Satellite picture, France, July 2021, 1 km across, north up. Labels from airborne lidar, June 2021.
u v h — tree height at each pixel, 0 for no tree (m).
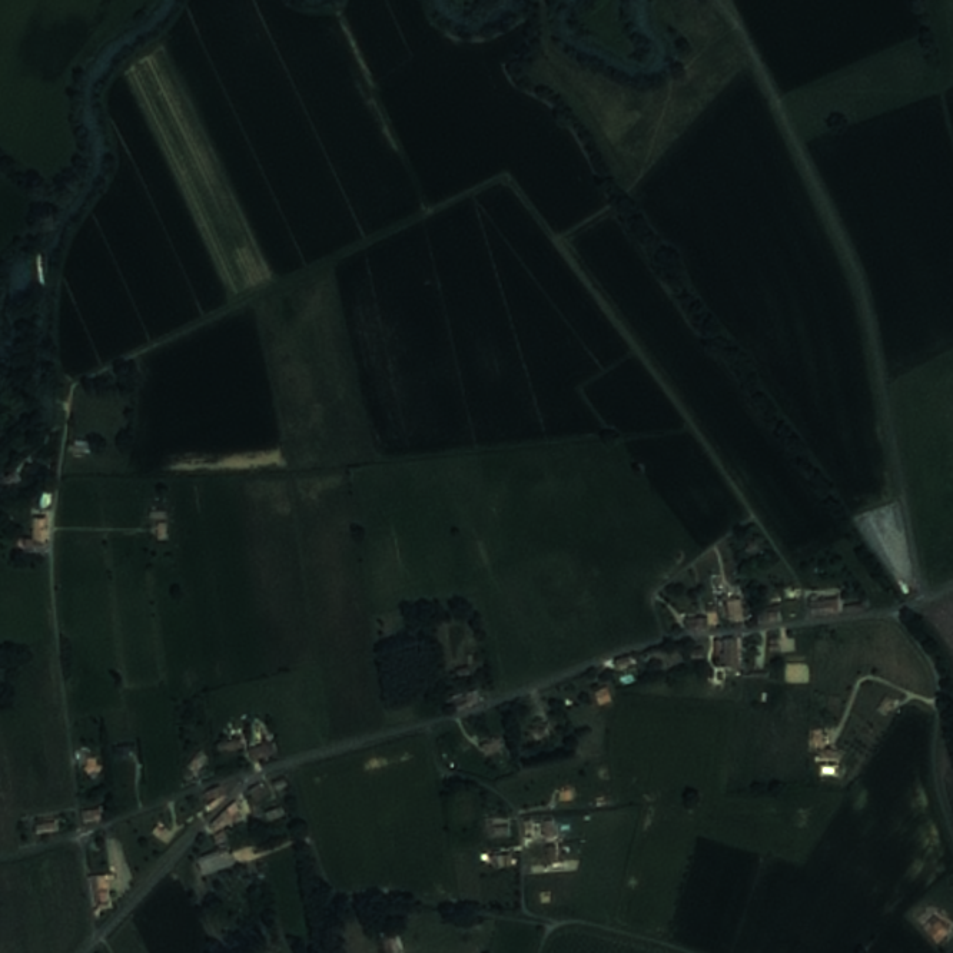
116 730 0
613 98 0
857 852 0
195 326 0
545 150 0
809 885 0
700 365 0
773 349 0
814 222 0
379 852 0
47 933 0
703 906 0
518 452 0
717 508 0
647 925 0
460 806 0
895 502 0
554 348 0
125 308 0
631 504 0
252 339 0
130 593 0
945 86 0
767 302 0
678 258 20
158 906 0
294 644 0
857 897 0
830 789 0
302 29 0
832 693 0
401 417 0
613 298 0
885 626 0
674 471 0
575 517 0
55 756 0
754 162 0
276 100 0
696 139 0
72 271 0
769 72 0
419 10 0
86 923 0
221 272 0
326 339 0
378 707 0
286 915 0
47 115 0
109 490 0
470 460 0
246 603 0
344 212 0
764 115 0
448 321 0
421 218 0
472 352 0
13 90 0
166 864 0
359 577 0
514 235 0
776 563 8
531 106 0
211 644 0
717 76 0
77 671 0
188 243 0
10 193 0
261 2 0
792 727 0
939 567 0
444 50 0
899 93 0
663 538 0
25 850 0
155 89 0
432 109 0
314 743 0
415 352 0
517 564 0
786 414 0
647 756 0
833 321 0
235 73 0
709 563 0
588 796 0
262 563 0
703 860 0
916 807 0
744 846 0
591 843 0
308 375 0
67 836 0
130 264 0
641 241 12
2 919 0
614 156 0
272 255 0
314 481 0
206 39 0
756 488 0
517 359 0
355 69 0
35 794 0
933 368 0
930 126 0
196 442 0
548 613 0
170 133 0
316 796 0
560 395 0
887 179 0
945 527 0
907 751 0
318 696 0
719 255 0
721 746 0
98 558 0
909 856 0
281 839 8
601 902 0
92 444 18
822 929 0
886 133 0
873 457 0
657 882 0
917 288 0
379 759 0
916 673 0
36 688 0
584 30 9
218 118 0
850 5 0
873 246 0
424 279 0
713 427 0
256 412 0
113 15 0
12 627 0
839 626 0
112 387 18
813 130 0
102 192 11
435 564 0
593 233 0
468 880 0
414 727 0
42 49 0
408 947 0
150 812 0
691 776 0
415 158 0
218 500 0
